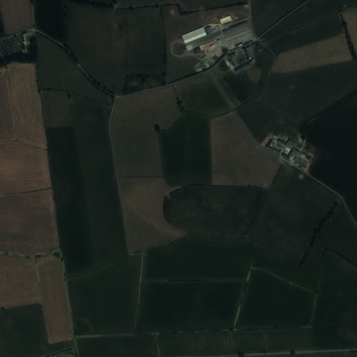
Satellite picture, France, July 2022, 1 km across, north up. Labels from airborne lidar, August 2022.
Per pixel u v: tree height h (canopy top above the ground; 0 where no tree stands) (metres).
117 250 0
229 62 0
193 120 0
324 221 17
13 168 0
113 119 0
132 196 0
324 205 0
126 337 0
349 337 0
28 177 0
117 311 0
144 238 0
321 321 0
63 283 0
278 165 0
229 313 0
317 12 0
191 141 0
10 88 0
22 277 0
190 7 0
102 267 0
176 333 0
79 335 0
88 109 0
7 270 0
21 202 0
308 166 0
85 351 0
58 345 0
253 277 0
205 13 0
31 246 0
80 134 0
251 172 0
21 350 0
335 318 0
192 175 0
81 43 0
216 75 0
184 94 0
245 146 0
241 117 0
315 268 0
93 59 0
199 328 0
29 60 26
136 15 0
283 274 0
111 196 0
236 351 0
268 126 0
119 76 0
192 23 0
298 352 0
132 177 0
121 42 0
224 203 0
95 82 16
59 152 0
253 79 0
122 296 0
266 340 0
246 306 0
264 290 0
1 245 0
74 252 0
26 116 0
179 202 0
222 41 0
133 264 0
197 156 0
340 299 0
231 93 0
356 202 0
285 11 0
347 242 0
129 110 0
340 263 0
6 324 0
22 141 0
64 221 0
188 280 0
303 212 0
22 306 0
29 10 0
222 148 0
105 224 0
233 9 0
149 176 0
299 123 0
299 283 0
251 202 0
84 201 0
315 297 0
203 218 0
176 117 0
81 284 0
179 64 0
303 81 0
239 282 0
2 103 0
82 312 0
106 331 0
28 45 0
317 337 0
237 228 0
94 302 0
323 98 0
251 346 0
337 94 0
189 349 0
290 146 0
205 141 0
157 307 0
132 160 0
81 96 0
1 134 0
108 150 0
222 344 0
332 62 0
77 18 0
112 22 0
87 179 0
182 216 0
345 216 0
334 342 0
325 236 0
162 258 0
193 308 0
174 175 0
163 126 0
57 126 0
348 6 0
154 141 0
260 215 0
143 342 0
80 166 0
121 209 0
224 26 0
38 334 0
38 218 0
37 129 0
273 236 0
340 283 0
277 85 0
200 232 0
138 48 0
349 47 7
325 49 0
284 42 0
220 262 0
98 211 0
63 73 0
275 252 0
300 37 0
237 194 0
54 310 0
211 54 0
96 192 0
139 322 0
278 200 0
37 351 0
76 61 16
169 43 0
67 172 0
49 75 0
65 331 0
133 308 0
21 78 0
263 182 0
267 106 0
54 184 0
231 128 0
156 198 0
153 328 0
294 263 0
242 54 0
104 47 0
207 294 0
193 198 0
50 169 0
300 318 0
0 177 0
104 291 0
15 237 0
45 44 0
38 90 6
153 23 0
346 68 0
